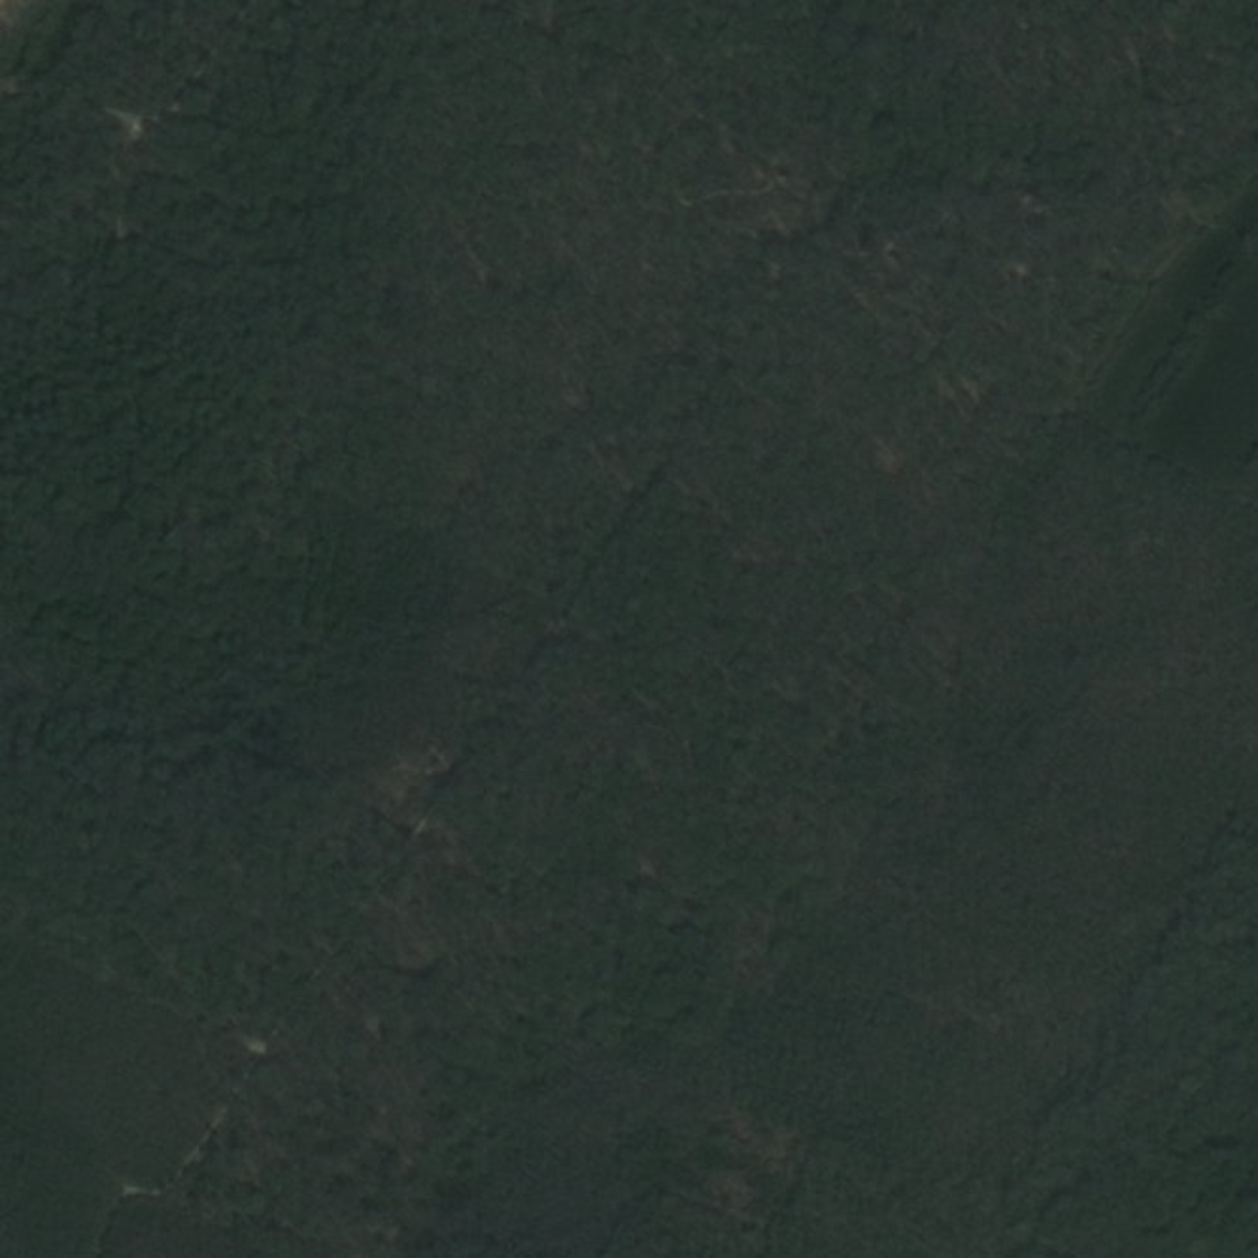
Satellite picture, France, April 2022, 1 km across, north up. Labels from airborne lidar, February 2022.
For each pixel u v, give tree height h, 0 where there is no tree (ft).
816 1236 56
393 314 84
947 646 99
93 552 87
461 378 81
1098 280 96
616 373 95
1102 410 0
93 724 82
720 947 97
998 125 99
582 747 90
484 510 94
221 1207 93
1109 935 56
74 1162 53
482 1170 81
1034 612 69
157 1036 28
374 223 98
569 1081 57
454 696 50
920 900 54
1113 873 50
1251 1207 88
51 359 68
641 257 93
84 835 85
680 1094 57
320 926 102
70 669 93
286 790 90
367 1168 106
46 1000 43
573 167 95
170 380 84
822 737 107
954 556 95
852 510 100
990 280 97
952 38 110
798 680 91
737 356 99
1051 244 102
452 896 99
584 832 88
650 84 96
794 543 96
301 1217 98
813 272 98
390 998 106
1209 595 55
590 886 103
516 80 88
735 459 92
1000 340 82
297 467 99
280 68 79
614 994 96
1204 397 0
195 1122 35
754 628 84
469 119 94
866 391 93
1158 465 53
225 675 86
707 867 93
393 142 93
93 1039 31
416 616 50
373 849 102
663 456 91
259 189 90
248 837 101
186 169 91
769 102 96
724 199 89
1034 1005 62
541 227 97
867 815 98
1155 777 45
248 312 66
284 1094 110
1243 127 93
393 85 97
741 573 99
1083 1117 92
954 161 91
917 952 44
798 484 94
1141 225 98
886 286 92
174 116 0
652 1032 75
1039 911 56
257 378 86
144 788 102
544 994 99
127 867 77
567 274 92
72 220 93
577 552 80
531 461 108
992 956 62
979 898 57
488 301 101
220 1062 35
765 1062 53
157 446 91
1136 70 101
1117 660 58
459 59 95
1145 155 94
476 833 102
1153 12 89
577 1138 61
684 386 98
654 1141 46
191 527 94
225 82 79
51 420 90
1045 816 57
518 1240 48
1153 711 56
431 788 48
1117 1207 97
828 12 102
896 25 103
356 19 97
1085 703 57
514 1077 85
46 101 60
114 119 74
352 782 67
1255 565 62
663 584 94
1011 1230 45
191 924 95
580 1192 61
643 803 89
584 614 87
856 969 51
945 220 104
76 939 97
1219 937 97
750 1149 72
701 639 99
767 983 87
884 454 96
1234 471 0
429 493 97
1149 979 81
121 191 87
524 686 38
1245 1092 109
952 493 94
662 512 89
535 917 98
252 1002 87
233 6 97
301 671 69
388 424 102
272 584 46
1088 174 93
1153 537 63
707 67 102
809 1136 30
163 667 76
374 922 102
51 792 92
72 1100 31
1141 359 0
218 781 103
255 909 89
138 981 81
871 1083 52
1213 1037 88
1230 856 89
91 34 99
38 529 81
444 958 84
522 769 45
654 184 93
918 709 94
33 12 88
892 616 95
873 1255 60
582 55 92
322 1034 113
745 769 96
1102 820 51
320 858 95
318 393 90
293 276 78
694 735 98
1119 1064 84
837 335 90
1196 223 0
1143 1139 91
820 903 89
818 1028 50
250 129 74
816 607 89
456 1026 106
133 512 73
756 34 104
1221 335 0
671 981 64
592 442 91
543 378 99
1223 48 98
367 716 31
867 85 106
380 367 102
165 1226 36
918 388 89
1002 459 94
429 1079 108
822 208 92
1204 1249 89
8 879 85
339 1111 96
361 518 48
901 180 57
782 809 80
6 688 99
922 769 55
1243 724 59
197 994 100
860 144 95
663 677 99
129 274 84
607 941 93
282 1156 99
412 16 96
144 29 89
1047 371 92
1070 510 63
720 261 102
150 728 82
